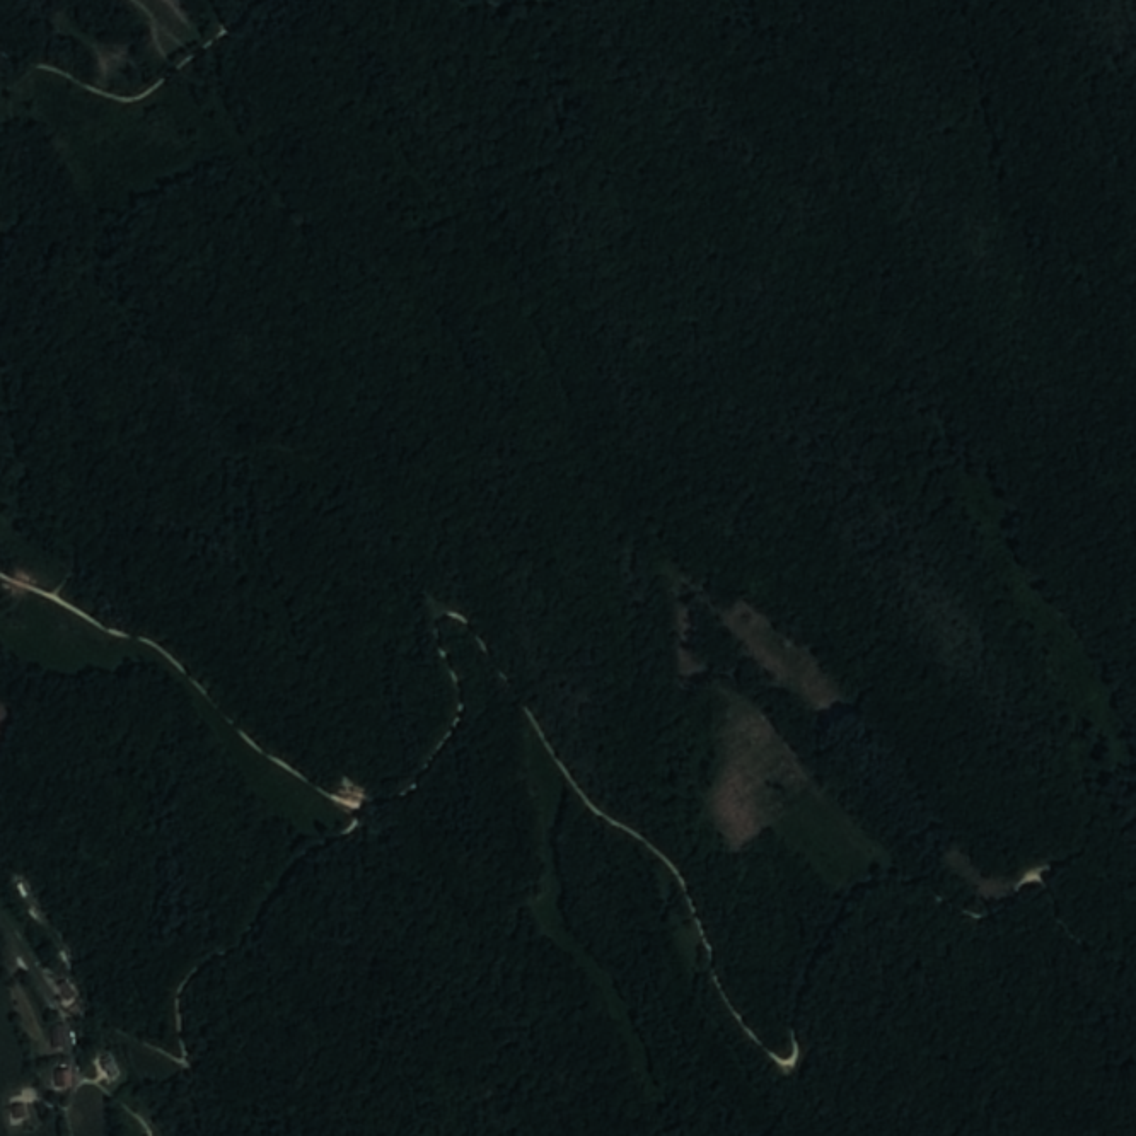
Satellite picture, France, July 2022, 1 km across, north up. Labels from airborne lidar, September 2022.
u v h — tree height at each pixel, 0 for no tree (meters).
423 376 16
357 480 18
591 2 10
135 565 19
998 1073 23
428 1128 12
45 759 13
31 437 16
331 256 16
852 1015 15
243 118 14
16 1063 0
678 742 11
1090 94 9
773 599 11
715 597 18
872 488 15
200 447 15
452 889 16
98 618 14
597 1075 19
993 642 18
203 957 14
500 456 15
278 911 18
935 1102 20
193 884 18
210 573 20
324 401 15
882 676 15
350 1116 13
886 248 20
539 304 16
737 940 16
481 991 14
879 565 14
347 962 15
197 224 16
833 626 16
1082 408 11
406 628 19
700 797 16
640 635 19
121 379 15
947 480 29
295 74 11
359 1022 18
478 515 12
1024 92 16
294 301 17
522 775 27
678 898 14
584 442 17
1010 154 19
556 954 27
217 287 17
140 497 9
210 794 14
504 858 17
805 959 16
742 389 20
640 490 18
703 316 17
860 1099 15
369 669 14
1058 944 26
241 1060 11
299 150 21
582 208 12
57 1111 11
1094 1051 24
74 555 11
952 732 18
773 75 20
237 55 9
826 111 25
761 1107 9
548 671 15
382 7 22
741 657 18
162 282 15
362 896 17
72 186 18
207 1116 10
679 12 17
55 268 15
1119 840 12
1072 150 15
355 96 16
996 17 17
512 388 13
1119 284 18
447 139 11
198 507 15
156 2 0
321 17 16
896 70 9
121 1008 14
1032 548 19
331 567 17
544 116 25
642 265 14
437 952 13
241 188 21
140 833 15
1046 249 19
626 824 11
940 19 19
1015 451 15
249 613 24
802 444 14
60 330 12
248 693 11
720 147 16
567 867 18
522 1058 18
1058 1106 19
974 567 24
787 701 26
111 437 13
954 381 19
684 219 19
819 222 16
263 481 18
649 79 14
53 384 11
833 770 27
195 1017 8
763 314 15
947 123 19
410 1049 15
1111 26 8
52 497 14
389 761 11
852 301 18
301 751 13
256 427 19
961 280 10
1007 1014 18
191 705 17
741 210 19
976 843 17
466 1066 15
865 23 13
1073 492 13
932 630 8
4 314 15
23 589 0
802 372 21
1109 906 15
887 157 9
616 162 18
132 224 19
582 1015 22
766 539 15
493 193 15
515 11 25
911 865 17
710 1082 10
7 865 9
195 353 13
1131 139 13
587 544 15
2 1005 0
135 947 14
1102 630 15
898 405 25
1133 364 13
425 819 16
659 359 17
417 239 20
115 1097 6
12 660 11
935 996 15
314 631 15
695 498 15
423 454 15
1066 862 8
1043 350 11
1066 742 20
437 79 19
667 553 8
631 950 12
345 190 11
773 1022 18
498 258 21
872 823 19
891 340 23
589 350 17
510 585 12
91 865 14
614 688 14
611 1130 18
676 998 9
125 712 15
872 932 12
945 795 14
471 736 13
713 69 20
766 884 12
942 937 19
